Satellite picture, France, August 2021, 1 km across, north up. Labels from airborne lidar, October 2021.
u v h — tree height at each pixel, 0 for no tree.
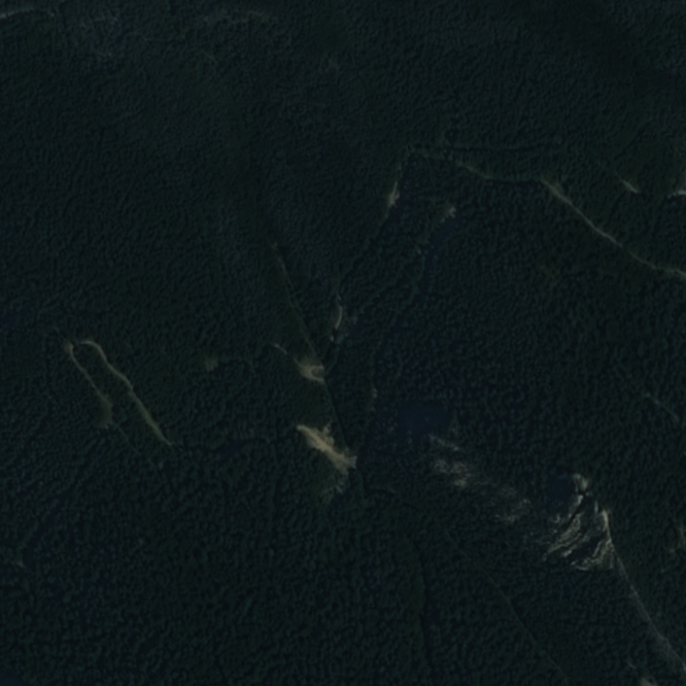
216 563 17
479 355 17
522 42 21
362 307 14
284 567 27
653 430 31
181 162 19
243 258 11
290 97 18
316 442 0
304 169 15
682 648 10
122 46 11
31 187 25
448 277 25
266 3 12
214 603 19
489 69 28
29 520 27
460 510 20
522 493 11
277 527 33
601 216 23
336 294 9
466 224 21
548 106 23
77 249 21
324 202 21
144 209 22
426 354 23
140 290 26
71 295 25
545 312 25
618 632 21
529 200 23
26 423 24
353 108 15
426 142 20
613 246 15
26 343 19
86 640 24
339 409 18
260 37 15
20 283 16
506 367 25
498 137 24
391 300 21
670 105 19
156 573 13
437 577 26
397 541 39
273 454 30
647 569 14
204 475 26
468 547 17
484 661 30
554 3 19
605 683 22
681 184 6
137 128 17
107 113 19
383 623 26
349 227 26
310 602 23
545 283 30
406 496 14
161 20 15
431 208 21
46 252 32
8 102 21
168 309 22
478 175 14
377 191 20
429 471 12
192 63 13
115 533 22
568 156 22
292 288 9
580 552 9
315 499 14
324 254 18
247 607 26
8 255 25
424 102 26
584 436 22
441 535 21
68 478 27
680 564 15
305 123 24
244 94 15
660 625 10
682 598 22
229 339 21
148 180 27
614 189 16
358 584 33
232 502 25
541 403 30
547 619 24
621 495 15
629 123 15
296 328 18
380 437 15
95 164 26
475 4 21
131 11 10
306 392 21
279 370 18
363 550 30
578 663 14
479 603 29
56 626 26
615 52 27
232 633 27
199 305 25
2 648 19
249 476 27
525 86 28
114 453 21
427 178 19
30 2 13
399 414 14
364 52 15
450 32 23
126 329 17
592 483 12
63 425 32
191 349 21
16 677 11
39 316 16
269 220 15
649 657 9
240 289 14
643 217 17
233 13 7
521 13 19
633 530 9
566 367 22
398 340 22
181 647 17
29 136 21
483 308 26
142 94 16
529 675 24
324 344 15
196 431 34
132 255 26
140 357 28
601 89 27
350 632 22
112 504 14
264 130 16
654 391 28
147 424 15
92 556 28
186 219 23
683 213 19
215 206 14
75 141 25
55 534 25
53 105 25
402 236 25
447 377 28
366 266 23
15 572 10
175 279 26
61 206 26
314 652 17
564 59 23
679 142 9
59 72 20
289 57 13
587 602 28
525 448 24
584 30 20
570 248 18
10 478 29
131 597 25
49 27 13
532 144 23
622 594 10
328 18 19
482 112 25
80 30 8
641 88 20
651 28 17
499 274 27
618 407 25
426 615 18
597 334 11
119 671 18
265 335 20
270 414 24
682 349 15
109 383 13
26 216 27
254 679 29
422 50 28
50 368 20
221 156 15
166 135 18
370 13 21
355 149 17
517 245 13
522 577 25
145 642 17
